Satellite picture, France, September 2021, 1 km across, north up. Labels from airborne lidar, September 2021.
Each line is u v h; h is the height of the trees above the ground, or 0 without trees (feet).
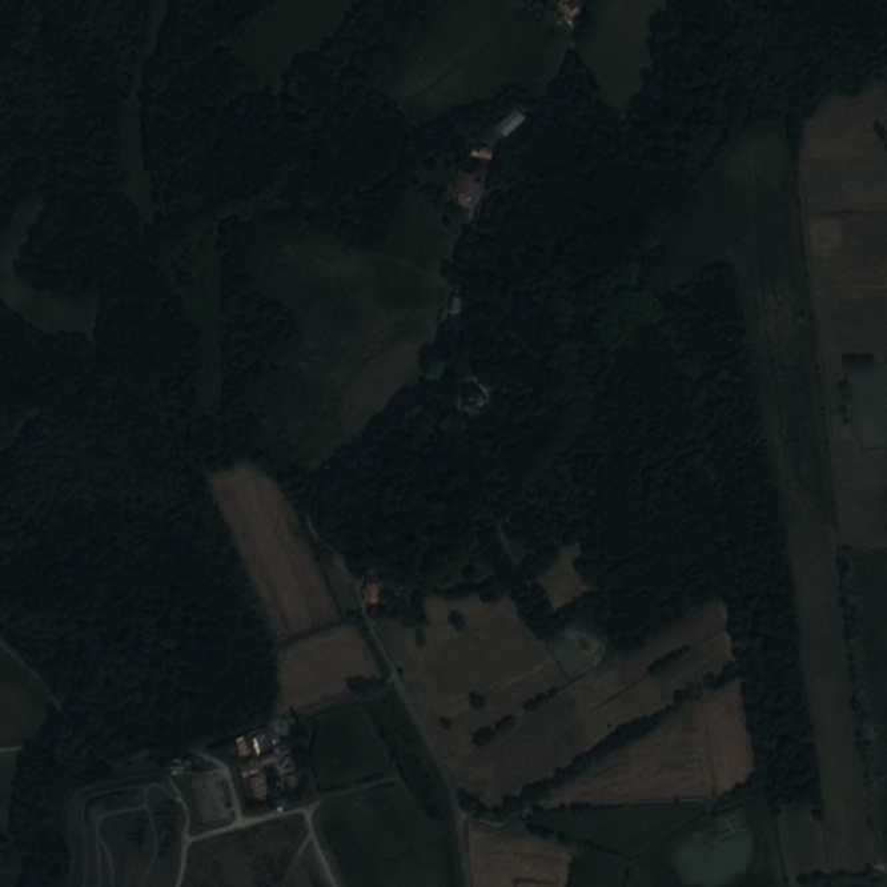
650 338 82
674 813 0
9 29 87
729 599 44
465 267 51
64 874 36
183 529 56
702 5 79
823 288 0
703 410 47
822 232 0
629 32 0
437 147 36
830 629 0
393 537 29
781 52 82
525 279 48
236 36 27
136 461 91
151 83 77
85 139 67
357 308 0
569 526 30
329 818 0
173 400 61
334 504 77
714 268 31
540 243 89
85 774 38
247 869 0
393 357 0
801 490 0
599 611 64
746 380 36
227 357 32
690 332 77
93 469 88
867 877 21
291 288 0
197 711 84
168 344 78
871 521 0
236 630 62
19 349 105
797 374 0
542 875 0
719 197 0
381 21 98
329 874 0
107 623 40
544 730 0
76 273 70
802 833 0
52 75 70
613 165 74
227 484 0
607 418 61
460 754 0
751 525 47
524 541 26
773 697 24
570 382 130
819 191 0
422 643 0
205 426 45
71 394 79
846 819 0
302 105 81
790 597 32
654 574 64
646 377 83
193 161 68
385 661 0
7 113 92
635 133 66
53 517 81
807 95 71
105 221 60
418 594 31
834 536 0
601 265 99
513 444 86
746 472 48
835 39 73
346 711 0
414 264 0
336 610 0
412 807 0
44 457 89
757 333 0
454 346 47
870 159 0
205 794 0
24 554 89
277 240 0
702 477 66
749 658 29
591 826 0
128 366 79
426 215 0
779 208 0
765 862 0
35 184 42
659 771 0
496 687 0
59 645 76
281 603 0
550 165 31
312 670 0
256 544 0
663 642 0
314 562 0
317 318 0
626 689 0
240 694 96
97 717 79
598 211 76
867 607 0
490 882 0
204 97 63
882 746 0
